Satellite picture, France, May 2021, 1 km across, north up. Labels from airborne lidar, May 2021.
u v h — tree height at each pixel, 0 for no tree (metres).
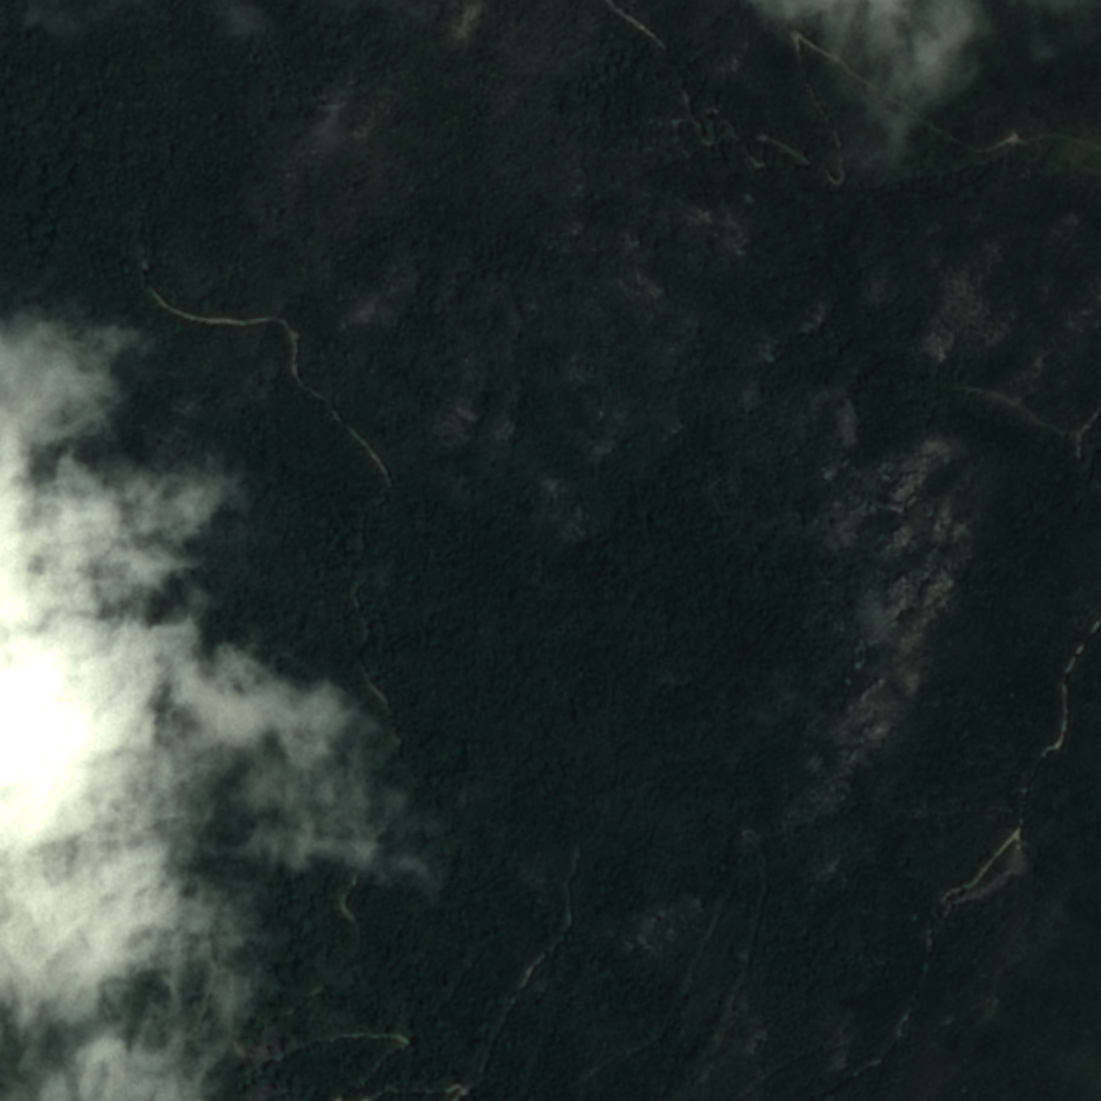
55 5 9
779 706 12
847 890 7
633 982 13
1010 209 5
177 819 7
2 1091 13
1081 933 6
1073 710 9
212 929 7
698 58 14
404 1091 7
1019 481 6
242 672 13
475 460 8
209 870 11
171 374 11
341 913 12
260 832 9
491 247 9
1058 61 6
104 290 10
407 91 8
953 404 7
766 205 7
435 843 19
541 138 6
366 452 9
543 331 7
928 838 8
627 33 8
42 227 16
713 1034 10
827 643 7
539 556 8
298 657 18
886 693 0
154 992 11
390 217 7
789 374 11
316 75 7
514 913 6
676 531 14
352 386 6
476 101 7
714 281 6
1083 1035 6
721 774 9
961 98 6
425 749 11
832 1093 9
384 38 6
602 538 9
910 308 7
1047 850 6
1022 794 6
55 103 12
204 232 8
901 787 7
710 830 9
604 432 8
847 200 11
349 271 9
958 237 6
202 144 10
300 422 10
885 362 11
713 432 11
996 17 8
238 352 8
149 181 13
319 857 17
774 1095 8
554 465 7
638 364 7
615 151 6
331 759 11
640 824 8
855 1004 7
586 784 21
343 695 10
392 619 13
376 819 10
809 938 10
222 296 9
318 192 9
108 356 6
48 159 14
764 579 7
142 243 13
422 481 11
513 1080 14
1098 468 12
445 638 15
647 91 11
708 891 7
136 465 18
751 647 13
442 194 7
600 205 13
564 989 9
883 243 6
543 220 7
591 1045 6
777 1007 8
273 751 9
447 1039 15
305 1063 8
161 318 10
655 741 7
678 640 11
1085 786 6
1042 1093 5
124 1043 9
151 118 9
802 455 7
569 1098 9
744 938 9
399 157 8
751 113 9
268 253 9
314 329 9
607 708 16
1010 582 8
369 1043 7
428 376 6
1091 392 5
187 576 15
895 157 12
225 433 9
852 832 7
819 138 12
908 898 8
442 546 12
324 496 17
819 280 16
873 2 0
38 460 8
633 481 9
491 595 8
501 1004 13
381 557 10
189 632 15
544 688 11
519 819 13
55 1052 11
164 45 8
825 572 7
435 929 8
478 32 9
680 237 8
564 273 8
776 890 7
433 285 8
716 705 11
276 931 14
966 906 7
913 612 6
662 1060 7
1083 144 0
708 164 14
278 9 10
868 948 8
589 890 5
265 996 17
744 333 7
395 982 10
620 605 19
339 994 7
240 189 7
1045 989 6
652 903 5
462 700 8
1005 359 6
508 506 12
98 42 9
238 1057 7
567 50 9
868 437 6
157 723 7
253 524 11
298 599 11
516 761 10
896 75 6
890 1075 7
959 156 7
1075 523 6
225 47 7
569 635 8
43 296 15
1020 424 7
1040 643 7
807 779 6
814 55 8
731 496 10
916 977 9
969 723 10
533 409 11
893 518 7
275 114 11
